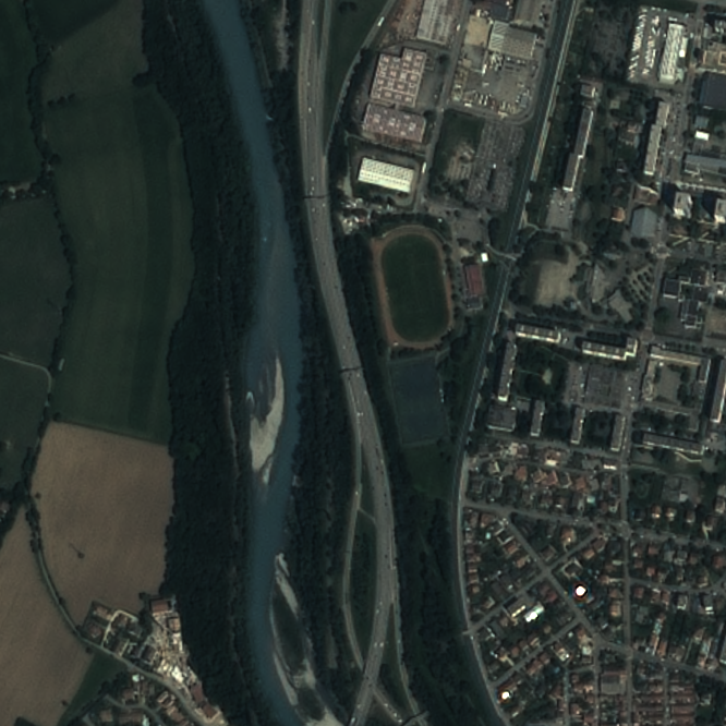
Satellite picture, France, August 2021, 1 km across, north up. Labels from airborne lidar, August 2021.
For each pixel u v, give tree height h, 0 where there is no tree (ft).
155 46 69
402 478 44
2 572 0
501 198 0
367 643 0
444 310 0
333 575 50
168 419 0
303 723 0
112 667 0
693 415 0
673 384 0
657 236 0
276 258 0
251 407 0
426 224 43
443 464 0
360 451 0
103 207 0
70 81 0
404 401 0
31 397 0
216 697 77
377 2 0
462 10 0
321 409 61
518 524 40
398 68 0
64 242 44
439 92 0
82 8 0
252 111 0
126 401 0
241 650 48
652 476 26
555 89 0
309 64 0
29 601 0
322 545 49
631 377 0
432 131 0
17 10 0
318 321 61
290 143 61
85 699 0
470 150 0
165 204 0
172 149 0
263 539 0
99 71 0
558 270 0
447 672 48
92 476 0
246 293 24
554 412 25
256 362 0
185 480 57
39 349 0
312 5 0
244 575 41
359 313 35
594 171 0
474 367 0
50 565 0
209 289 60
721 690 29
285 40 0
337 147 47
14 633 0
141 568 0
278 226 0
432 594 56
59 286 0
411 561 55
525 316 33
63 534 0
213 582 79
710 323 0
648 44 0
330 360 39
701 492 0
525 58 0
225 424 52
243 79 0
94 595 0
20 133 0
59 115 0
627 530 0
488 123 0
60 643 0
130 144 0
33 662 0
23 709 0
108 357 0
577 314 35
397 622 0
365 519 0
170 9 23
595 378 0
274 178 0
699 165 0
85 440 0
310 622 32
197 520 77
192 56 71
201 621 82
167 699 0
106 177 0
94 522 0
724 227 53
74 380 0
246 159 33
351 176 0
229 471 71
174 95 62
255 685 52
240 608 52
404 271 0
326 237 0
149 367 0
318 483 57
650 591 24
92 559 0
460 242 19
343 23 0
